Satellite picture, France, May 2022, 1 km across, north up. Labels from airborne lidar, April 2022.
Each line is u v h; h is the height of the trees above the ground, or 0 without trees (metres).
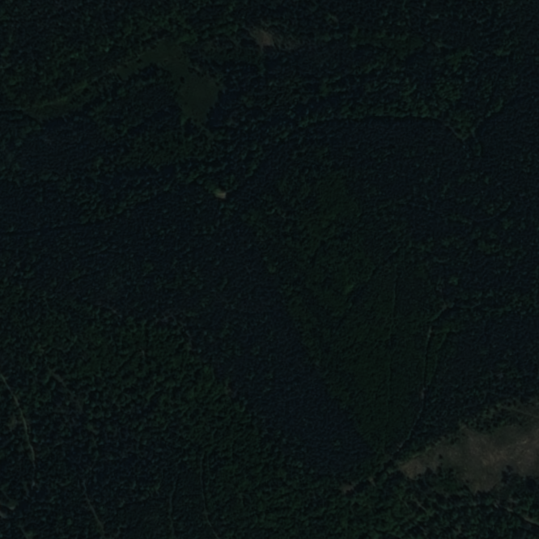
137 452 14
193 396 14
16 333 23
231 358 26
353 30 23
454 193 27
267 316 23
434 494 6
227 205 18
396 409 14
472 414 18
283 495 13
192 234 21
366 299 17
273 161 20
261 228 17
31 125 30
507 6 26
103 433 24
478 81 28
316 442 22
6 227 23
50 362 16
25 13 22
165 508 12
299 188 19
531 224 19
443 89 26
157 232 20
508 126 19
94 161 31
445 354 15
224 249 24
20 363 22
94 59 17
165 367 15
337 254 21
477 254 24
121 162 9
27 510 20
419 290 13
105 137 9
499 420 12
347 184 11
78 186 29
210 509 10
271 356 19
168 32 24
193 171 25
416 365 14
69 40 27
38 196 27
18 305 20
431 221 25
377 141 29
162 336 15
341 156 21
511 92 23
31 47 26
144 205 22
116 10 30
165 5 26
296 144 20
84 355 18
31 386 22
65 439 35
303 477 14
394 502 26
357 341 17
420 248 18
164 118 28
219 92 0
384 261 15
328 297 16
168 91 19
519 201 26
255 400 26
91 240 26
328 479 18
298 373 28
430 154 21
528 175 23
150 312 24
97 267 24
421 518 28
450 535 27
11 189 28
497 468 0
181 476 11
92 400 30
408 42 13
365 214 10
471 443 0
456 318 18
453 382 17
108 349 16
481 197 23
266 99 14
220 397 19
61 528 11
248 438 16
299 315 14
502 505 14
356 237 14
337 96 11
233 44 20
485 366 19
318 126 24
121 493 28
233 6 21
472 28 24
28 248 29
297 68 29
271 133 26
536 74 25
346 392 16
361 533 9
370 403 12
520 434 0
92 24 25
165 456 23
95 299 21
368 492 24
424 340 12
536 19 21
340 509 15
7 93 24
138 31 25
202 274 28
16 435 17
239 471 15
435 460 0
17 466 24
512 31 23
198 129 9
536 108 20
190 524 21
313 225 17
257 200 26
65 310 17
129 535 14
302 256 15
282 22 28
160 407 16
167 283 22
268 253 10
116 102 19
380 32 23
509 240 19
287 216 9
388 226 18
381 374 13
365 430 15
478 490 0
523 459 0
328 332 13
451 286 23
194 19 31
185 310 24
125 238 25
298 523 15
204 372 18
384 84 24
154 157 6
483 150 19
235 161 27
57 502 9
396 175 21
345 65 34
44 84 18
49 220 23
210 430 20
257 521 16
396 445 12
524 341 19
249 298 23
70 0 25
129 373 34
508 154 19
